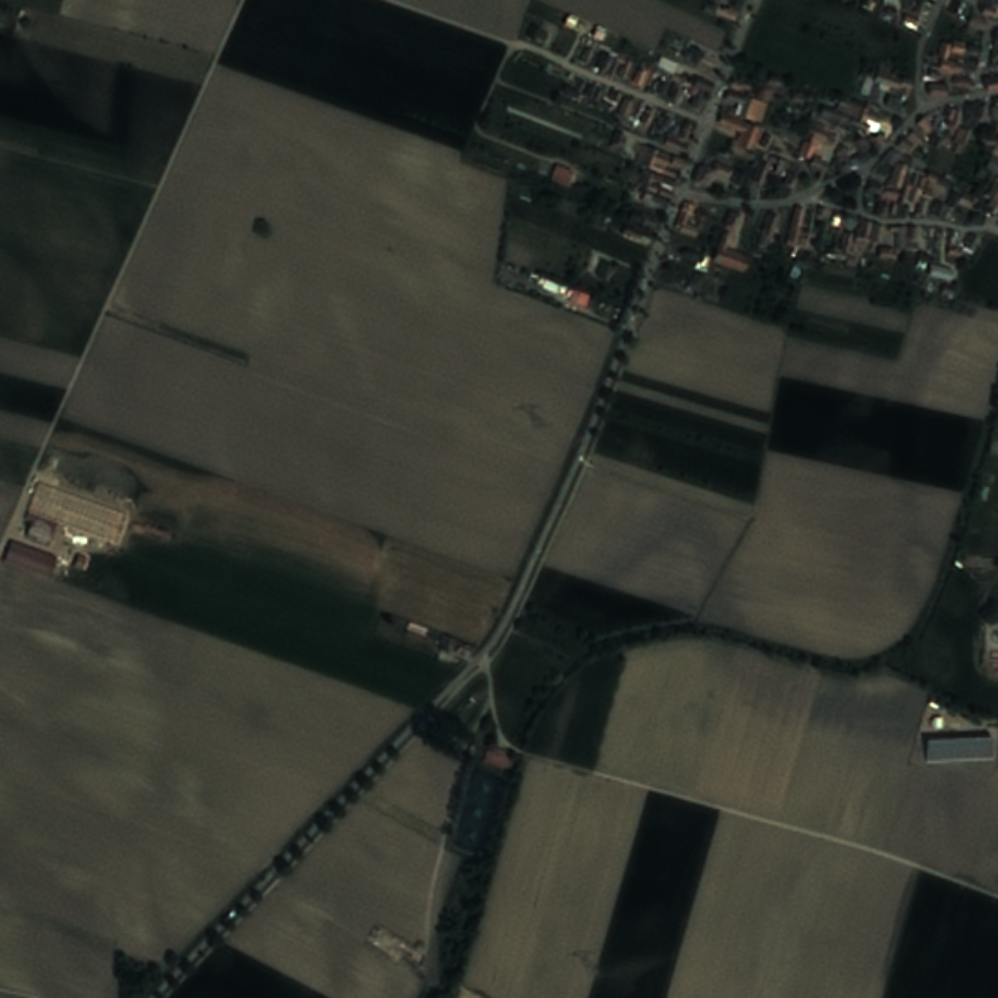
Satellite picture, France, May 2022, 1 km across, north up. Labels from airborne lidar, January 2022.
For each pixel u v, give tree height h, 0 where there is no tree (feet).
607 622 0
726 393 0
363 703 0
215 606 0
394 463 0
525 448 0
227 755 0
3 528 0
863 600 0
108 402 0
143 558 0
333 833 0
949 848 0
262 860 0
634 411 0
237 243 0
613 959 0
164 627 0
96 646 0
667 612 0
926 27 0
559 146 0
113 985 0
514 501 0
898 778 0
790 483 0
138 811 0
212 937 43
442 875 0
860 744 0
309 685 0
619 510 0
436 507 0
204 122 0
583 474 0
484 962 0
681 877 0
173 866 0
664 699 0
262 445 0
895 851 0
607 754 0
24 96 0
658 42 0
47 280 0
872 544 0
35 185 0
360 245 0
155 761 0
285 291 0
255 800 0
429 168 0
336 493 0
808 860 0
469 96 0
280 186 0
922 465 0
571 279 27
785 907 0
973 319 0
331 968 0
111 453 0
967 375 0
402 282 0
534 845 0
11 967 0
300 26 0
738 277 0
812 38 0
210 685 0
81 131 0
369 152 0
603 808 0
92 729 0
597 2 0
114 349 0
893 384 0
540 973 0
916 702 0
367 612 0
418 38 0
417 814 0
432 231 0
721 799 0
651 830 0
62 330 0
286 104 0
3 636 0
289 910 0
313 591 0
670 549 0
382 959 0
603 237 0
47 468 0
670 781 0
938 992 0
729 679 0
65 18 0
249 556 0
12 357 0
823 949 0
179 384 0
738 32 0
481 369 0
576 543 0
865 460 0
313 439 0
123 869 0
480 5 0
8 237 0
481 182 0
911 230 0
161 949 0
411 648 0
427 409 0
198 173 0
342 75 0
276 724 0
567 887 0
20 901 0
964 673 0
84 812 0
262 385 0
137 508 0
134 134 0
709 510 0
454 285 0
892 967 0
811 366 0
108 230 0
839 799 0
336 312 0
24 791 0
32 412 0
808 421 0
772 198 21
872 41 0
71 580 0
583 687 0
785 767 0
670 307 0
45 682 0
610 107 0
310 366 0
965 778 0
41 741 0
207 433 0
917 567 0
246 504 0
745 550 0
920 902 0
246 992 0
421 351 0
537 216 0
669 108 0
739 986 0
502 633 0
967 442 0
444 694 0
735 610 0
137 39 0
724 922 0
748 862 0
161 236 0
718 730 0
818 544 0
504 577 0
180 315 0
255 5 0
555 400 0
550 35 0
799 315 0
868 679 0
